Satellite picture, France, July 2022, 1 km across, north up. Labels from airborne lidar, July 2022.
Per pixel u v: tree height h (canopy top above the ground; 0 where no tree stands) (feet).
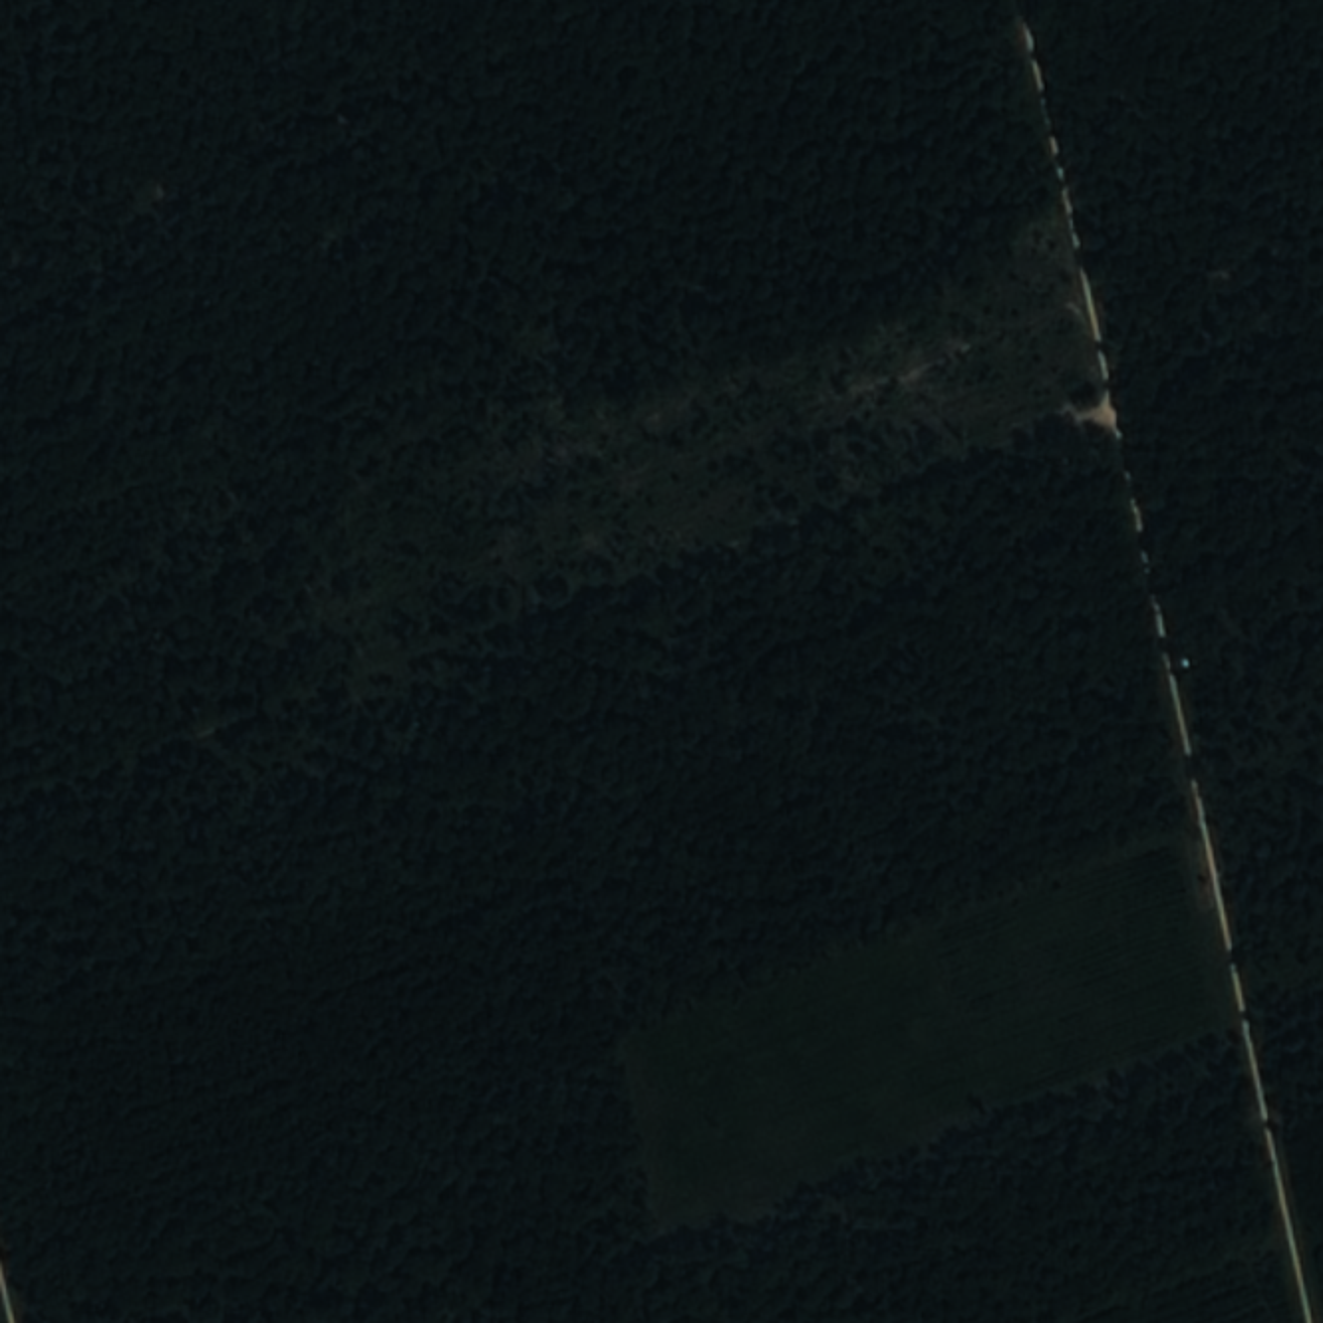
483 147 82
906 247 84
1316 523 83
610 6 107
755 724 85
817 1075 0
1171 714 0
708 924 95
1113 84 81
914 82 74
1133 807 86
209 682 84
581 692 90
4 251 89
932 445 87
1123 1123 66
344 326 89
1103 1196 82
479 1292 51
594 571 44
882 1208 52
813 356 42
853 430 50
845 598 63
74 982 73
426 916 68
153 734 75
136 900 86
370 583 74
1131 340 86
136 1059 51
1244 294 91
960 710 70
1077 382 22
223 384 74
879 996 0
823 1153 0
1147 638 75
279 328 79
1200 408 96
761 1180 0
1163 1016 0
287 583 85
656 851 62
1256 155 72
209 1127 60
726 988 62
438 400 88
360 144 92
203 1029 57
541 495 63
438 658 20
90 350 63
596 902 77
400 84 96
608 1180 23
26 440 70
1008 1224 81
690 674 77
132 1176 62
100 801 89
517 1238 94
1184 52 81
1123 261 93
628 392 98
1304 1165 34
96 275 73
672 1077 0
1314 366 86
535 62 91
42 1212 59
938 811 67
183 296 80
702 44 90
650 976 74
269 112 82
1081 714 84
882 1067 0
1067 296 0
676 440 62
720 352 94
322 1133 59
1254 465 86
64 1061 68
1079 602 85
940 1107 0
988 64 73
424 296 85
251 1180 73
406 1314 94
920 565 52
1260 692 64
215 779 52
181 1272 57
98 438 44
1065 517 79
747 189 89
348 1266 93
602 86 94
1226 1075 92
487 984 61
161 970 73
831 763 73
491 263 26
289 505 22
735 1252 85
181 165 80
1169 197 92
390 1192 75
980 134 96
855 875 67
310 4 88
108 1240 80
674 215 94
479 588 19
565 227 93
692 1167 0
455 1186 88
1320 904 58
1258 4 87
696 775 77
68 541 72
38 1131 62
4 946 47
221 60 70
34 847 81
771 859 80
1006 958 0
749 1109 0
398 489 23
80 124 86
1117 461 45
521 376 94
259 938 39
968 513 82
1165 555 68
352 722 59
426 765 84
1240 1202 73
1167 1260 80
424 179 52
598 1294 79
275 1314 93
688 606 85
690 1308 79
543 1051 63
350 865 75
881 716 50
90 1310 52
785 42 88
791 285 91
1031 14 79
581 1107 83
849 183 90
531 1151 93
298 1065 56
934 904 72
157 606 89
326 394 79
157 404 79
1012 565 91
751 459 30
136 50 75
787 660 75
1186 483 81
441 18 92
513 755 87
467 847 92
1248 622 60
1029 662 66
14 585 70
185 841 88
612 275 94
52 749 81
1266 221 95
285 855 70
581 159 86
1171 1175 77
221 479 75
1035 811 76
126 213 63
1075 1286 65
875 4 84
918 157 96
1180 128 96
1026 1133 63
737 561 79
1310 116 92
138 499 24
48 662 88
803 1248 79
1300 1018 22
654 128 86
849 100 89
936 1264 94
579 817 81
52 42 89
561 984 72
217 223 84
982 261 100
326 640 83
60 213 29
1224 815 76
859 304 97
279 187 84
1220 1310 21
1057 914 0
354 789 73
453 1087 64
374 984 52
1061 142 70
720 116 96
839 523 77
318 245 77
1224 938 0
